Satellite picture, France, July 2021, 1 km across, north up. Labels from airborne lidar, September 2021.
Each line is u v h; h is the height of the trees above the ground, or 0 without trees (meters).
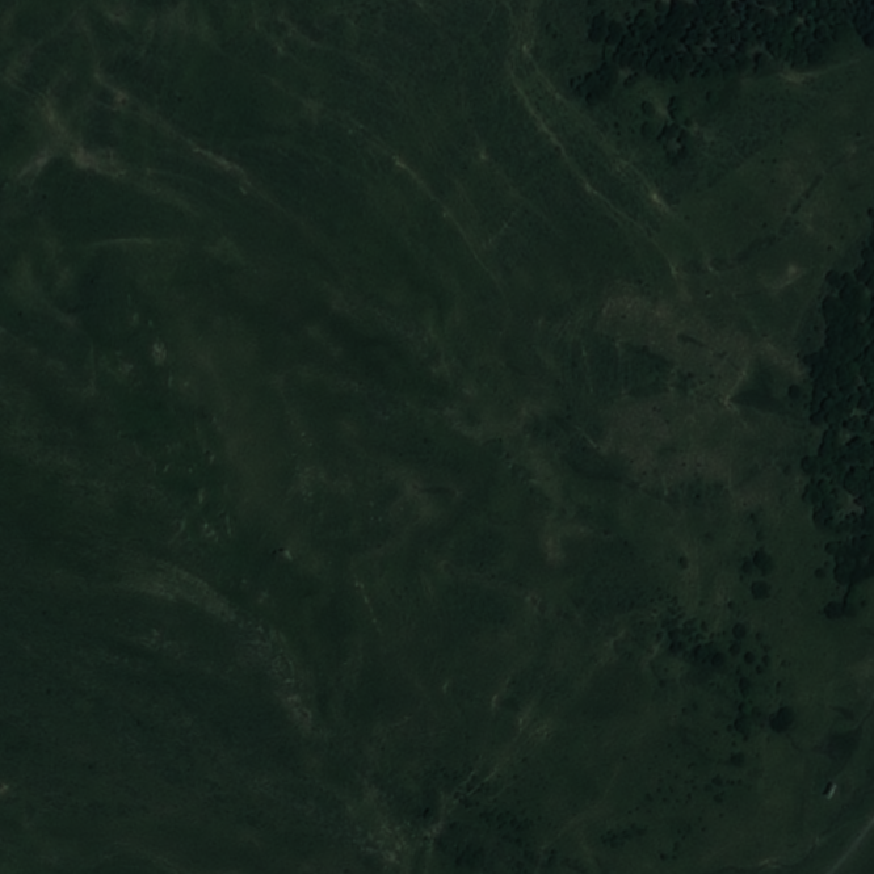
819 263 0
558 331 0
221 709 0
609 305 0
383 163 0
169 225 0
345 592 0
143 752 0
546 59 0
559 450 0
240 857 0
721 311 0
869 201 0
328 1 0
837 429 12
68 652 0
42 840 0
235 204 0
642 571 0
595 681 0
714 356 0
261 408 0
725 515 0
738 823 0
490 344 0
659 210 0
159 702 0
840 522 17
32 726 0
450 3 0
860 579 20
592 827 0
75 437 0
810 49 23
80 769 0
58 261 0
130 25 0
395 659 0
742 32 24
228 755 0
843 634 0
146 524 0
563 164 0
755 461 0
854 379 21
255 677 0
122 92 0
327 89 0
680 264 0
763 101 0
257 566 0
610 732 0
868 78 0
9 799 0
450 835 0
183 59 0
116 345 0
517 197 0
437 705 0
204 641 0
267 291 0
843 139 0
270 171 0
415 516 0
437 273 0
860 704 0
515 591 0
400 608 0
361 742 0
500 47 0
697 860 0
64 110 0
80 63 0
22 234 0
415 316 0
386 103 0
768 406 0
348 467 0
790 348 0
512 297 0
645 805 0
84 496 0
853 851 0
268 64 0
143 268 0
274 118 0
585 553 0
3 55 0
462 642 0
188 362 0
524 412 0
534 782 0
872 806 0
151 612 0
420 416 0
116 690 0
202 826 0
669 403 0
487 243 0
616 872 0
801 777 0
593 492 0
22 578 0
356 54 0
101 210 0
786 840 0
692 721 0
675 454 0
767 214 0
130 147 0
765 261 0
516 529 0
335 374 0
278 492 0
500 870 0
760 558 15
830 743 0
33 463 0
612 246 0
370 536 0
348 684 0
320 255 0
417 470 0
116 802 0
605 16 10
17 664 0
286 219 0
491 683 0
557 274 0
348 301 0
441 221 0
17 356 0
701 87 0
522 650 0
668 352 0
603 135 0
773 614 0
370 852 0
